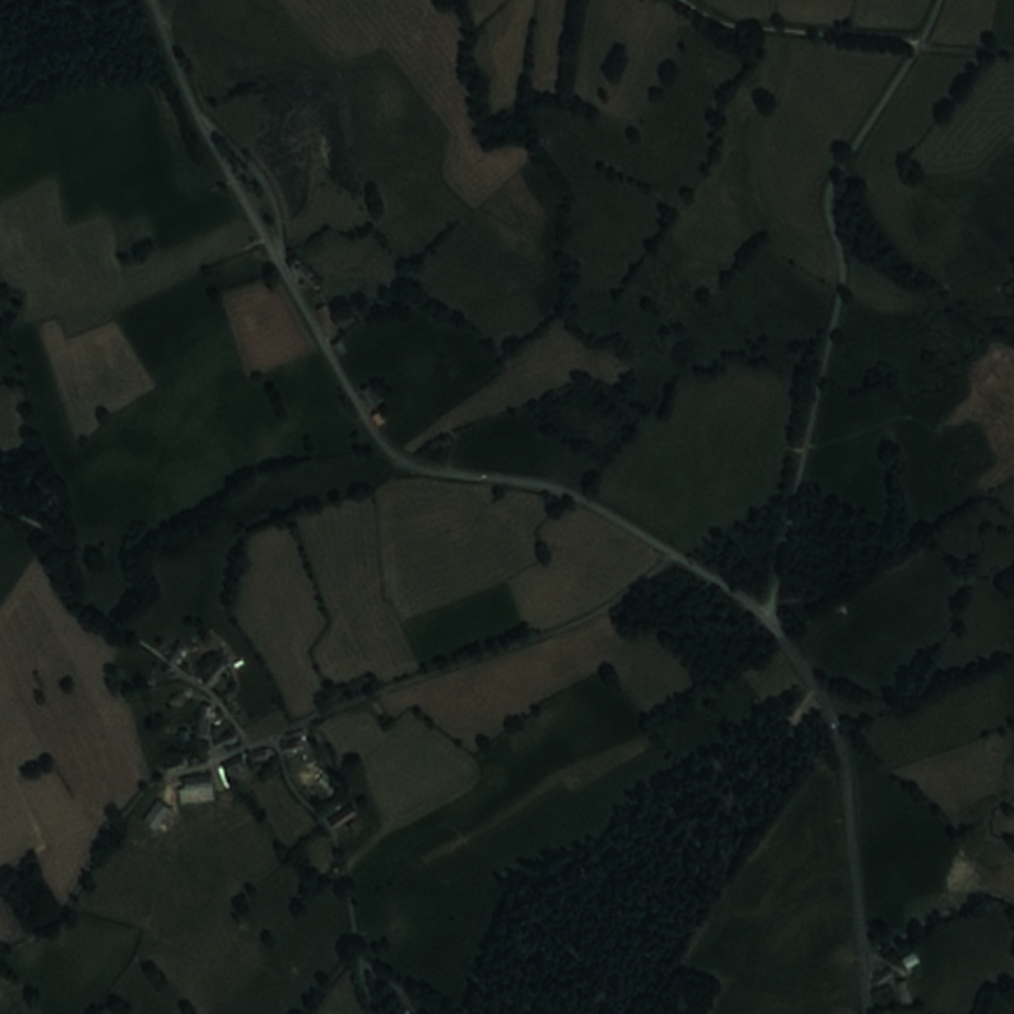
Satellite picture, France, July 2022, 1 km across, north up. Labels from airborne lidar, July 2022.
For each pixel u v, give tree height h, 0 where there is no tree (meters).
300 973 0
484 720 0
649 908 8
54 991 0
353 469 0
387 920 0
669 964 26
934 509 0
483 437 0
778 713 20
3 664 0
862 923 0
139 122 0
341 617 0
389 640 0
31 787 0
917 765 0
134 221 0
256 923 0
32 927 8
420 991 20
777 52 0
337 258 0
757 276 0
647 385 0
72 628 0
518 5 0
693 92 0
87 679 0
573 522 0
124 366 0
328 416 0
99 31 15
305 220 0
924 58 0
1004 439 0
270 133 0
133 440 0
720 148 8
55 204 0
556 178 7
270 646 0
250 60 0
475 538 0
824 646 0
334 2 0
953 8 0
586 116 18
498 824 0
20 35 29
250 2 0
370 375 0
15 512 16
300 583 0
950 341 0
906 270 12
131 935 0
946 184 0
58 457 0
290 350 0
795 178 0
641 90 0
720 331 0
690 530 0
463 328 12
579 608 0
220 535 0
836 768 13
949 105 15
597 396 7
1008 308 0
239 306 0
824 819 0
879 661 0
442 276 0
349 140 0
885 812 0
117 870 0
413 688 0
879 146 0
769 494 0
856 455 0
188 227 0
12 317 12
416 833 0
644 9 0
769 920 0
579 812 0
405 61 0
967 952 0
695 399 0
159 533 9
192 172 0
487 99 7
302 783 0
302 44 0
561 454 0
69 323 0
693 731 0
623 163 0
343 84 0
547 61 0
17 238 0
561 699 0
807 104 0
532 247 0
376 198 16
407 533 0
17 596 0
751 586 13
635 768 0
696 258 0
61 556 21
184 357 0
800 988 0
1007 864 0
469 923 0
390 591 0
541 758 0
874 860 0
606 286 0
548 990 27
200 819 0
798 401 23
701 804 18
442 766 0
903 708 19
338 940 0
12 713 0
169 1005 0
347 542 0
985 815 0
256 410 0
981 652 0
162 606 0
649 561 0
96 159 0
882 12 0
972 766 0
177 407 0
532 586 0
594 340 6
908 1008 7
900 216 0
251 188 14
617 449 8
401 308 24
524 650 0
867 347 0
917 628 0
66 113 0
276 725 0
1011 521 0
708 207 0
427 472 0
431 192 0
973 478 0
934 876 0
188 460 0
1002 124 0
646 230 0
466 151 0
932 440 0
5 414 0
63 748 0
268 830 0
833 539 19
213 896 0
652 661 0
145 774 0
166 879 0
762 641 20
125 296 0
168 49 0
